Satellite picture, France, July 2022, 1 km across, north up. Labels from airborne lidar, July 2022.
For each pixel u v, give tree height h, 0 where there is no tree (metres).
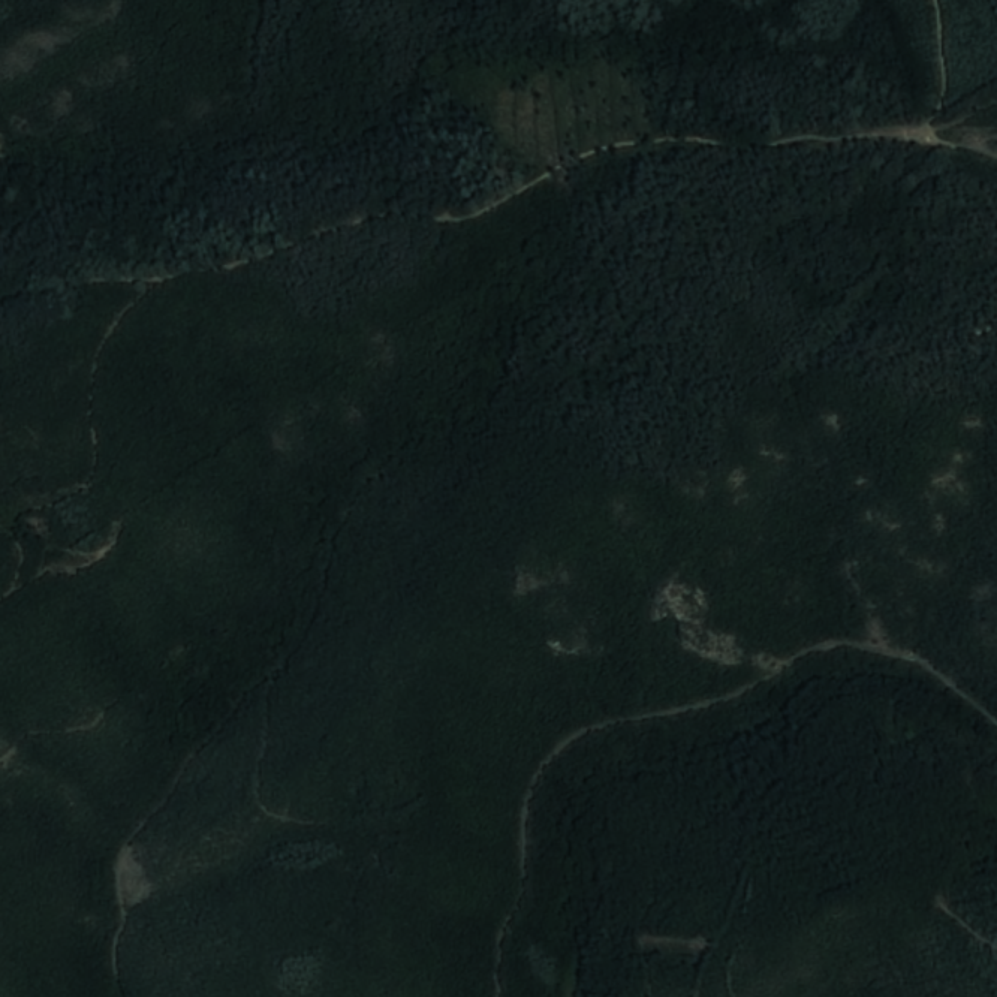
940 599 12
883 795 13
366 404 10
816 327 25
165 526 6
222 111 14
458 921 13
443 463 11
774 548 8
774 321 17
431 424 16
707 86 22
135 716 12
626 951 16
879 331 19
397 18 20
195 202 15
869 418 11
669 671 10
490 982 13
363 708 7
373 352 8
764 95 18
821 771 13
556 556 9
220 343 8
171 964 6
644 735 15
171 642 13
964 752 8
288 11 23
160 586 10
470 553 12
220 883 12
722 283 24
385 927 9
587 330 12
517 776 15
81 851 12
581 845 15
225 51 15
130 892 0
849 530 7
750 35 12
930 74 12
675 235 22
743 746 25
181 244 19
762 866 7
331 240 17
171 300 11
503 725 14
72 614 15
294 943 10
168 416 18
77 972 13
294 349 12
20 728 11
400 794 8
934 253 13
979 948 8
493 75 0
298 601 14
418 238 20
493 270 19
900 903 7
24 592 10
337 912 9
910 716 20
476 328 10
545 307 20
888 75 23
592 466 15
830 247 27
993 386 21
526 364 21
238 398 8
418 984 13
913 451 14
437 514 11
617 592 16
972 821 22
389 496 6
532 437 15
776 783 18
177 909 12
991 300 19
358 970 8
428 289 8
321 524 13
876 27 31
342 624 10
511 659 9
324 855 20
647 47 28
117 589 9
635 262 20
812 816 14
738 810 14
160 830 8
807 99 20
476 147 28
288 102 16
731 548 6
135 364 16
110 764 8
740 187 21
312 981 11
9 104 11
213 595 12
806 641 8
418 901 10
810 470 8
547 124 0
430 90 23
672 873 12
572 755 17
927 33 11
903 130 0
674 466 19
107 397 12
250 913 9
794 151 19
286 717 7
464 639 11
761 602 13
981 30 10
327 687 9
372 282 22
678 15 21
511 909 15
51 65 12
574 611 7
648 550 8
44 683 10
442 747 8
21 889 8
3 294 14
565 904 16
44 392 11
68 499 12
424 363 15
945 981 6
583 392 8
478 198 29
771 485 7
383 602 8
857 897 14
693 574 13
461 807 14
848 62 23
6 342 13
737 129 18
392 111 25
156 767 13
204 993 10
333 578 13
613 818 18
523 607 9
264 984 10
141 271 20
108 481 9
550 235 19
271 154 10
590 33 27
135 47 10
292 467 8
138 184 8
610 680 16
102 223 8
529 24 19
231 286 12
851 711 13
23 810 13
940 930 10
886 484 12
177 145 18
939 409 6
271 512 17
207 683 19
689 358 21
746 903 9
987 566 9
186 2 14
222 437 7
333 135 14
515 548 7
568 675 11
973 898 12
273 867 14
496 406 13
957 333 17
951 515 7
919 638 9
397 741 8
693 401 26
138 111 14
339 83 17
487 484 15
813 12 27
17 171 23
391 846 11
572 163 18
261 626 12
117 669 20
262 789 6
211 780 7
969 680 11
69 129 11
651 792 15
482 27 31
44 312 17
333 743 10
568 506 9
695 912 12
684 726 13
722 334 18
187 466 14
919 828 14
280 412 7
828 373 12
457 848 14
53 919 7
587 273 25
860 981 7
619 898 11
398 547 12
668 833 11
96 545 12
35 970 12
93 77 7
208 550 7
